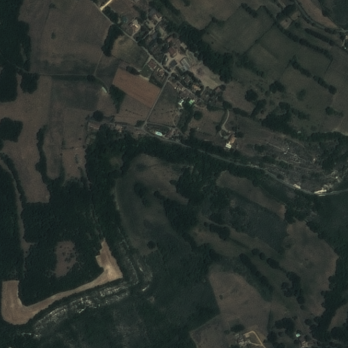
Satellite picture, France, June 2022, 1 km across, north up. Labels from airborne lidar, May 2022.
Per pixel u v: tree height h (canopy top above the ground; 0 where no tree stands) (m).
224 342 0
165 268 10
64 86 0
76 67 0
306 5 0
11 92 14
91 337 11
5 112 0
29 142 0
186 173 13
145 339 8
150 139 10
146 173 0
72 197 16
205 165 16
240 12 0
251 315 0
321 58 0
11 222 11
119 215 12
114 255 11
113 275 0
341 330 18
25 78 14
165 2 11
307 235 0
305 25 0
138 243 0
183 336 18
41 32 0
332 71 0
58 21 0
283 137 0
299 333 18
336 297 16
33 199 0
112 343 10
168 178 0
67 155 0
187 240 15
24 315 0
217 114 0
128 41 0
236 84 0
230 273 0
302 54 0
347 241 8
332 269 0
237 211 6
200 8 0
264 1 0
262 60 0
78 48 0
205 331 0
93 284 0
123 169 20
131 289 5
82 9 0
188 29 17
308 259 0
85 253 10
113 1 0
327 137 13
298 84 0
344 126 0
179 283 7
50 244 12
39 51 0
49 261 10
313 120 0
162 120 0
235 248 0
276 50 0
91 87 0
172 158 18
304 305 9
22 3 11
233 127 7
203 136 0
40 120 0
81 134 0
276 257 0
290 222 15
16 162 0
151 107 0
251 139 0
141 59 0
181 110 8
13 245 13
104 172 14
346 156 8
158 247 8
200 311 10
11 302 0
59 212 15
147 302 6
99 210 12
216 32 0
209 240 0
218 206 11
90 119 6
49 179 10
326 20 0
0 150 7
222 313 0
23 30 11
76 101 0
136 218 0
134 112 6
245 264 13
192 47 18
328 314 19
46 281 14
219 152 6
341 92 0
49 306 8
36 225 12
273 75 0
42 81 0
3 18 9
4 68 9
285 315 0
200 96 12
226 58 6
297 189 6
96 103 0
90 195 11
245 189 0
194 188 12
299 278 14
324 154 9
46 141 0
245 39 0
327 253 0
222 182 0
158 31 11
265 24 0
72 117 0
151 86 0
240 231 12
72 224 13
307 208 8
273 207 0
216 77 0
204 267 8
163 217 0
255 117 10
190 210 7
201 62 0
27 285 17
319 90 0
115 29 13
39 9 0
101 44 0
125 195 0
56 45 0
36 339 6
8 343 10
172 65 0
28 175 0
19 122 12
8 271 6
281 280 0
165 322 6
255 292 0
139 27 0
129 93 0
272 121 13
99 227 8
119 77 0
